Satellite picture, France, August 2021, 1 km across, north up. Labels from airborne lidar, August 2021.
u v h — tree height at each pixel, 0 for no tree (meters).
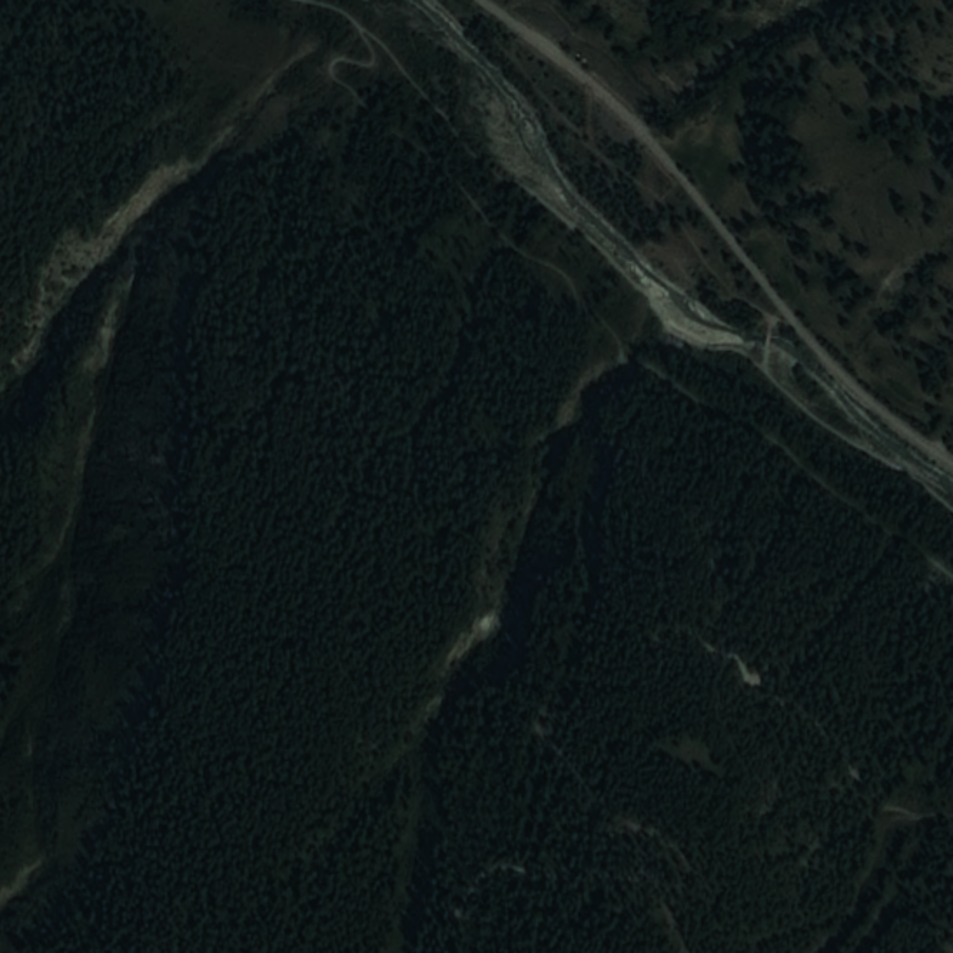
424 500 21
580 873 11
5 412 5
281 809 26
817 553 26
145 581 0
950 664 13
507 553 22
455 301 29
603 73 0
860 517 11
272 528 21
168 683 20
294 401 23
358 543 22
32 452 21
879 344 0
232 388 18
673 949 25
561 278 0
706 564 20
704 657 17
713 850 20
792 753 22
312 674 19
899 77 15
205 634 24
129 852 21
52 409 20
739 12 18
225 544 20
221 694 22
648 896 30
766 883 15
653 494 19
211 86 0
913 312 18
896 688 16
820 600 24
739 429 28
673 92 0
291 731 18
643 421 21
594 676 26
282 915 22
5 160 13
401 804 17
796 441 27
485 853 8
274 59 0
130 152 21
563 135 12
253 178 17
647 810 20
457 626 16
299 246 29
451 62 13
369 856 16
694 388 25
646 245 16
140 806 13
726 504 29
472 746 21
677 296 0
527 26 0
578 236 10
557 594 20
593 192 11
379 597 17
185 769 18
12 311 16
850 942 16
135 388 6
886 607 25
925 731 29
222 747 15
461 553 21
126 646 0
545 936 18
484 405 23
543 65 9
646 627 17
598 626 20
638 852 24
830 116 0
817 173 0
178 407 18
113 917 14
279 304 26
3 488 25
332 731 23
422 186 21
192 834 16
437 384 26
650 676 21
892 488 14
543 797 17
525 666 17
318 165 11
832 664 23
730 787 19
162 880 14
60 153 18
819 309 0
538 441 7
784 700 23
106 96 22
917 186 0
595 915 22
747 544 21
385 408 20
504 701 20
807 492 22
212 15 0
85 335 8
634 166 12
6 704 29
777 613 19
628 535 23
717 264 0
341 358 26
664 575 11
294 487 21
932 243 0
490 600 17
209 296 21
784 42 24
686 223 11
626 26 0
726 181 0
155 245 7
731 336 0
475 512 19
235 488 24
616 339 0
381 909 24
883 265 0
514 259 18
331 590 26
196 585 25
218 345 18
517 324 27
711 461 24
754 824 20
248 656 23
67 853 0
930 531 19
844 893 18
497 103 0
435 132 12
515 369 25
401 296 29
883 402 12
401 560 18
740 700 22
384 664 23
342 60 0
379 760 26
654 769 26
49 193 19
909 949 13
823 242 0
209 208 19
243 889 17
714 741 19
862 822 12
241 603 25
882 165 0
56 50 17
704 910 23
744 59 6
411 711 18
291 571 24
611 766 25
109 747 8
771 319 0
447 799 15
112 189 18
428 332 27
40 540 15
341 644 20
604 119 0
